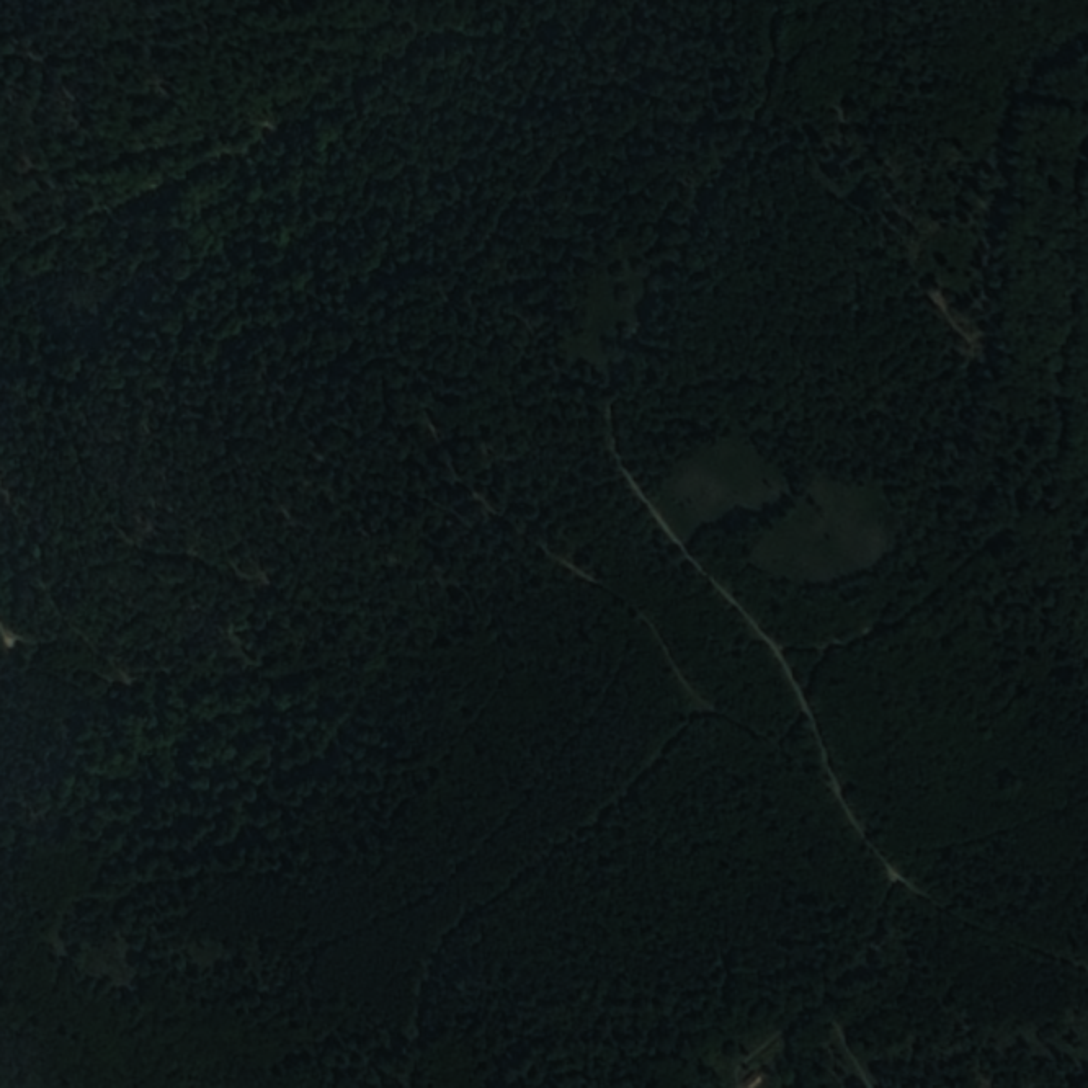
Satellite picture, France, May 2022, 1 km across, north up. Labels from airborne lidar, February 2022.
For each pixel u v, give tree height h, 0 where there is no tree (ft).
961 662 56
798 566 0
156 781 46
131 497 98
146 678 22
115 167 103
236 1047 40
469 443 108
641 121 108
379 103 108
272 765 118
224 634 91
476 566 101
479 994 60
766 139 91
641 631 40
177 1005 34
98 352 115
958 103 29
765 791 45
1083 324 98
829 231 104
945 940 51
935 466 53
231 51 78
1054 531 112
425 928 54
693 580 43
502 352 97
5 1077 37
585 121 102
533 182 70
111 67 96
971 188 121
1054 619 118
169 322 131
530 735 58
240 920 63
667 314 94
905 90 58
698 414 90
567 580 36
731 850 46
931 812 54
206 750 108
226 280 108
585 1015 60
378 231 112
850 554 0
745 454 0
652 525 31
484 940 52
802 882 45
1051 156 60
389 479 115
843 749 40
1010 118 131
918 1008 52
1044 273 107
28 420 104
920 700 56
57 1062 53
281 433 116
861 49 30
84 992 75
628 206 92
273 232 93
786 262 95
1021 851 50
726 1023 81
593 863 57
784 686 35
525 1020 92
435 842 47
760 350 103
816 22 35
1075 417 93
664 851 35
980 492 111
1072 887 49
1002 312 118
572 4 119
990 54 46
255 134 38
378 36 118
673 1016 74
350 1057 91
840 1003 94
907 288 96
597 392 46
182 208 112
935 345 76
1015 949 46
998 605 87
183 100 115
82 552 105
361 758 122
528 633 53
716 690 46
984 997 47
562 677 53
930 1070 50
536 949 40
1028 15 40
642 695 36
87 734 94
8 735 71
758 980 69
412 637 121
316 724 117
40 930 70
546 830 52
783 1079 44
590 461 42
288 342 30
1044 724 54
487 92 97
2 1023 54
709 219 86
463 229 106
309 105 86
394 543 115
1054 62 139
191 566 103
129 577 105
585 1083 97
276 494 93
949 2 38
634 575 41
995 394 107
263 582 0
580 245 106
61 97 116
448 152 102
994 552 63
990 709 58
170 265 121
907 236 105
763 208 107
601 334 0
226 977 46
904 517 50
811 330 87
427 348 83
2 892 58
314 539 89
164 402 118
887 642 64
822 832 47
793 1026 93
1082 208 128
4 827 95
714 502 0
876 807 38
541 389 94
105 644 31
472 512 121
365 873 53
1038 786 57
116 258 119
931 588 47
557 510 52
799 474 62
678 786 39
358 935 58
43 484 95
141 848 82
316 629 120
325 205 55
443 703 44
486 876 54
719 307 95
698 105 65
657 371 77
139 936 56
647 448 56
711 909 38
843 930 59
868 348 96
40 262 73
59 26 87
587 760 51
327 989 47
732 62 104
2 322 39
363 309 113
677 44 109
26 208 40
